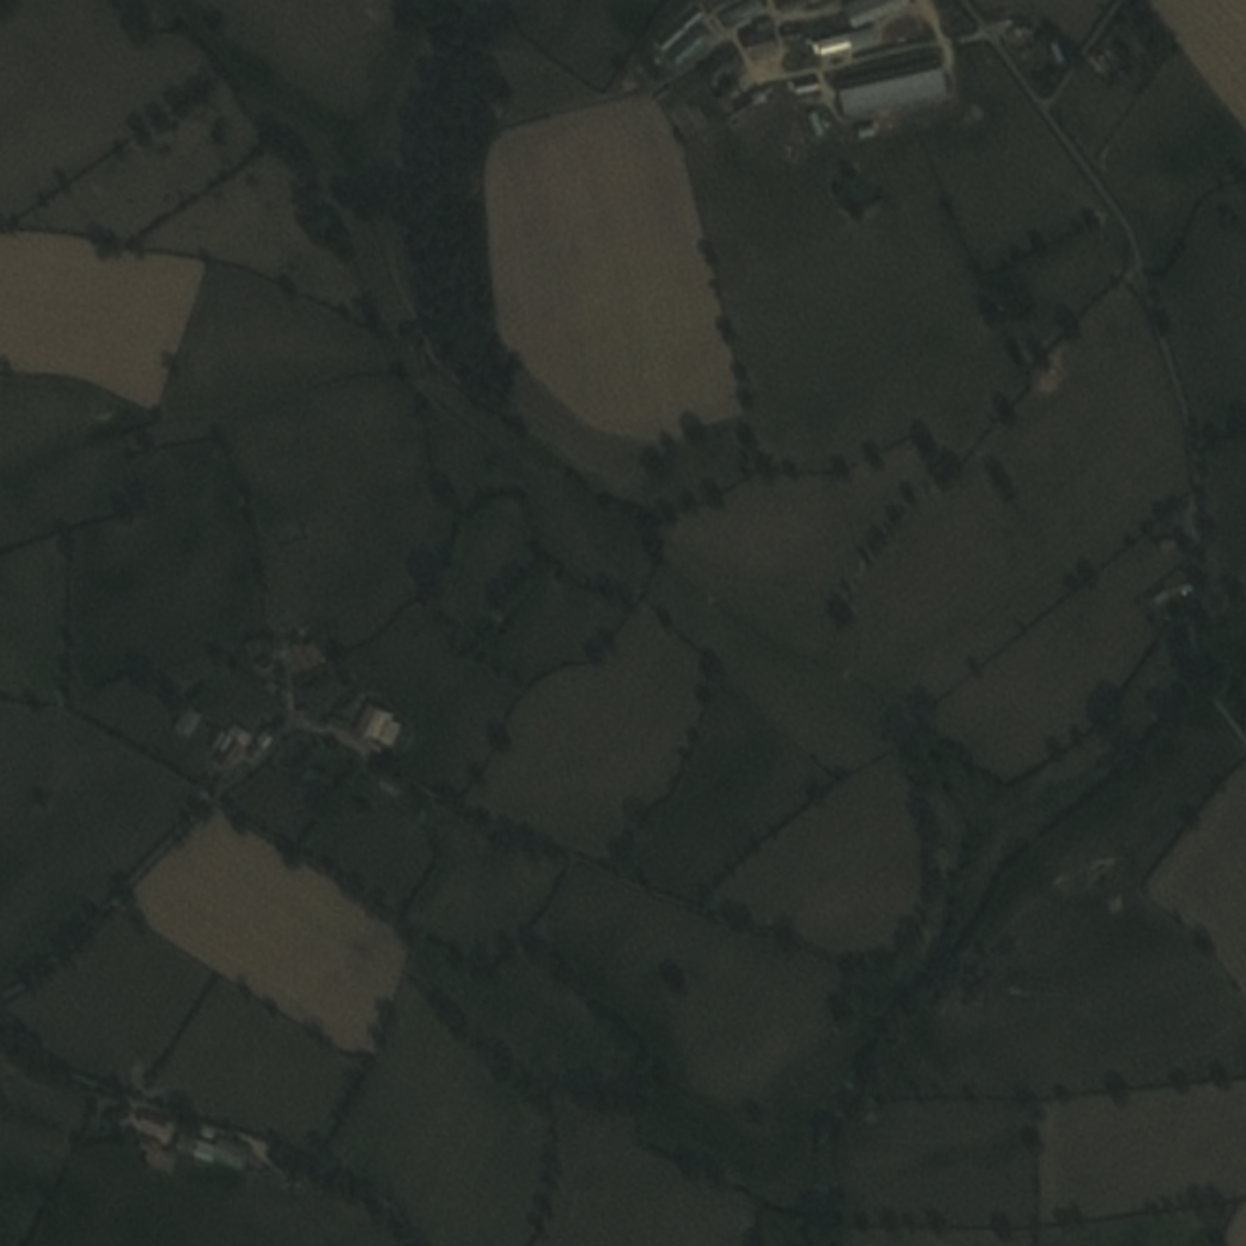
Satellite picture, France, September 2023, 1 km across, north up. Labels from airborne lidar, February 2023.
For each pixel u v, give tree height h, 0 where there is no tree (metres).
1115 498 0
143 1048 0
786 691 0
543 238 0
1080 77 0
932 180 0
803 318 0
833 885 0
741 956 0
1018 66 0
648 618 0
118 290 0
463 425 0
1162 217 0
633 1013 0
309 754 6
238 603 0
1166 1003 0
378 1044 15
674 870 0
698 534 0
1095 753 0
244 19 0
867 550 12
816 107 0
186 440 0
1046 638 0
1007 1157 0
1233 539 0
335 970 0
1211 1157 0
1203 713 0
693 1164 18
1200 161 0
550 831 0
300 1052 0
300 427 0
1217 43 0
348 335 0
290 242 0
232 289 0
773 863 0
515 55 0
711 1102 0
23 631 0
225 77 6
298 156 22
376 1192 19
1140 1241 0
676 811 0
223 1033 0
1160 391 0
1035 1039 0
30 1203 0
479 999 0
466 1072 0
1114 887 0
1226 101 0
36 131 0
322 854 0
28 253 0
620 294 0
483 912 0
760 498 0
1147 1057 0
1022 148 0
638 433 0
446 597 0
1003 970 0
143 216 0
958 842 0
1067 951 0
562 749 0
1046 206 0
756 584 0
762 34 0
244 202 0
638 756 0
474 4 0
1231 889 0
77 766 0
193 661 0
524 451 0
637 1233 0
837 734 0
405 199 20
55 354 0
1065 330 17
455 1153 0
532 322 0
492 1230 0
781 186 0
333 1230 0
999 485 19
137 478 0
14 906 0
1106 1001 0
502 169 0
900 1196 0
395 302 0
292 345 0
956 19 0
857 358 0
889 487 0
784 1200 0
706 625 0
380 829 0
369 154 0
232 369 0
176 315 0
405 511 0
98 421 0
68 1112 0
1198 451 14
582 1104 18
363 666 0
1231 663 0
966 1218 0
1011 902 0
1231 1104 0
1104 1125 0
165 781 0
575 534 0
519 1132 0
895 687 0
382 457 0
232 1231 0
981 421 0
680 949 0
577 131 0
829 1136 18
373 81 0
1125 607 0
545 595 0
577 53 0
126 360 0
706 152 0
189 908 0
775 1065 0
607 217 0
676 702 0
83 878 0
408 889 0
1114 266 0
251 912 0
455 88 18
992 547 0
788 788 0
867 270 0
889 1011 17
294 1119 0
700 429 17
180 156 0
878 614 0
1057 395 0
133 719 0
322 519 0
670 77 0
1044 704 0
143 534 0
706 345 0
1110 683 0
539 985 0
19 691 0
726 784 0
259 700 0
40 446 0
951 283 0
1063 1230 10
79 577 0
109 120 0
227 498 0
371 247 0
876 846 0
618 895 0
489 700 0
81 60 0
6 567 0
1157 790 0
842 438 0
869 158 0
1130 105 0
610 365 0
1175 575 0
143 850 0
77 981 0
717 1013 0
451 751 0
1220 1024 0
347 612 0
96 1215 0
